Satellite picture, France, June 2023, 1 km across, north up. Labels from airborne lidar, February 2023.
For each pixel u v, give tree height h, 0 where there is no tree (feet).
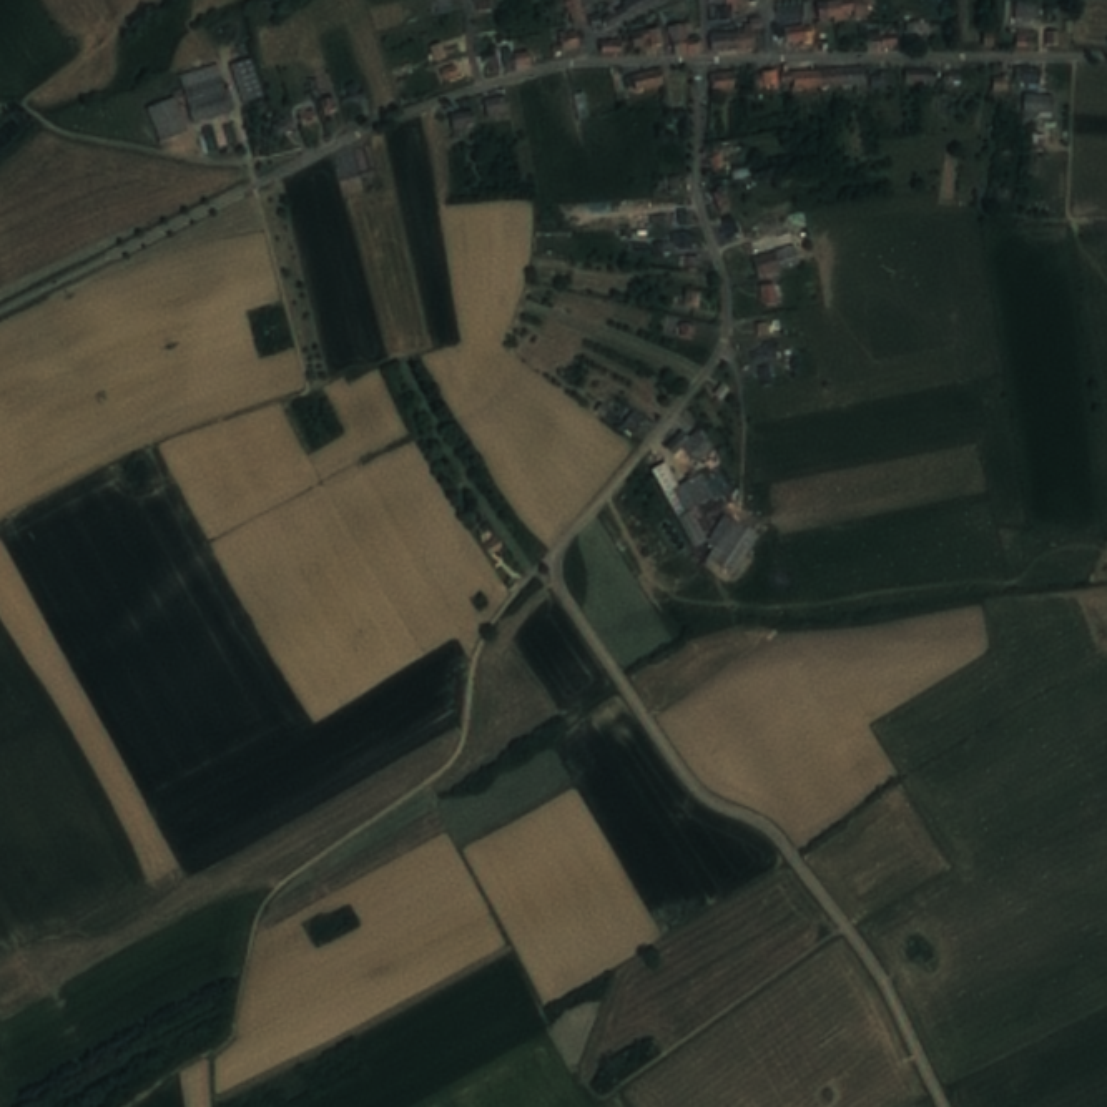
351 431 0
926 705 0
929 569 0
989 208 53
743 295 0
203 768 0
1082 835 0
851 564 0
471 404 0
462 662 0
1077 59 0
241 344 0
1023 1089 0
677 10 0
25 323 0
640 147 0
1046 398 0
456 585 0
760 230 0
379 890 0
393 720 0
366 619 0
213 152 0
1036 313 0
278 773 0
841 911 0
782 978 0
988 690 0
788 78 0
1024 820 0
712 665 0
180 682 0
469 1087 0
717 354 0
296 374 0
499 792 0
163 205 0
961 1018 0
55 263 0
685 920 0
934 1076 0
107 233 0
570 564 0
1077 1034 0
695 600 0
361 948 0
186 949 0
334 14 0
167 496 0
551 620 0
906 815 0
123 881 0
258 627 0
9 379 0
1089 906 0
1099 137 0
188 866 0
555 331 0
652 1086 0
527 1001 0
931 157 0
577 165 0
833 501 0
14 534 0
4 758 0
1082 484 0
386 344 0
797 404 0
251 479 0
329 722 0
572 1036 0
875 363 0
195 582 0
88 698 0
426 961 0
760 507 0
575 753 0
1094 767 0
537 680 0
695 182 0
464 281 0
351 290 0
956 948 0
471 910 0
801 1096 0
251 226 0
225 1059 0
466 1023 0
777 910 0
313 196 0
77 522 0
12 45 0
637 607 0
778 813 0
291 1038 0
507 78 0
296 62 0
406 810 0
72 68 0
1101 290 0
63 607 0
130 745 0
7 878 0
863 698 0
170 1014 32
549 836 0
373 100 0
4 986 0
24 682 0
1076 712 0
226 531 0
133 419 0
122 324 0
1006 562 0
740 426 0
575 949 0
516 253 0
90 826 0
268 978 0
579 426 0
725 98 31
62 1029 0
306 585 0
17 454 0
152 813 0
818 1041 0
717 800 0
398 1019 0
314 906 0
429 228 0
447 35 0
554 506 0
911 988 0
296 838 0
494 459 0
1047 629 0
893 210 0
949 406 0
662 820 0
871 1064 0
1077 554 0
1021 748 0
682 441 0
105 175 0
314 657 0
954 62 0
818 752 0
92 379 0
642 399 0
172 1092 0
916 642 0
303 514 0
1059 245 0
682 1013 0
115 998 0
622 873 0
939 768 0
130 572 0
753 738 0
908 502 0
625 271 33
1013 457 0
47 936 0
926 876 0
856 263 0
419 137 0
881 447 0
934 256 0
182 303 0
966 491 0
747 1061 0
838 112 39
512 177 22
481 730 0
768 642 0
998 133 22
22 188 0
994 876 0
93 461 0
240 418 0
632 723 0
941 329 0
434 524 0
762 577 0
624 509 0
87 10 0
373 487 0
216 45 0
